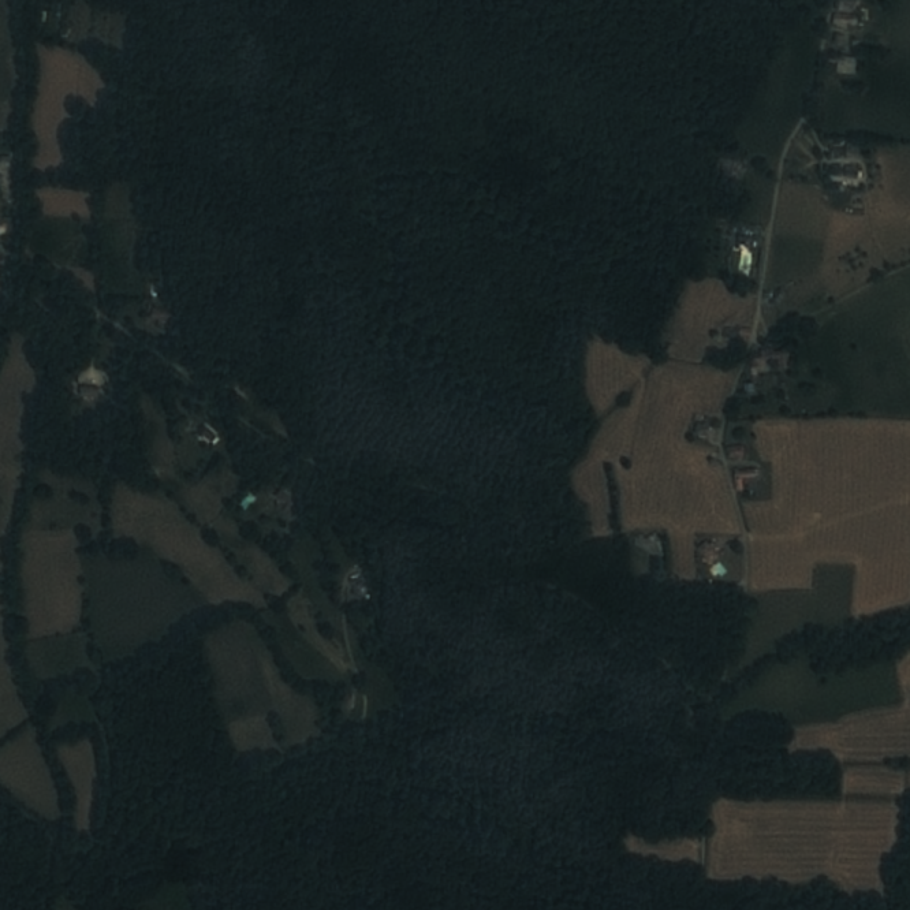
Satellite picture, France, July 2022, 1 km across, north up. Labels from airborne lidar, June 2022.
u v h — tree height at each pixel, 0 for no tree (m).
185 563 0
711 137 16
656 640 24
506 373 28
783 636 0
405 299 32
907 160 0
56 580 0
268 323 26
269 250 23
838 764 17
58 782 18
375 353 27
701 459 0
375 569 18
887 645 17
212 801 25
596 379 0
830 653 24
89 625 16
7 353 23
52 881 28
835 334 0
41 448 24
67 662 0
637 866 24
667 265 30
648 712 21
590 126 24
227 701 0
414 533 26
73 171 22
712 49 22
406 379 27
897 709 0
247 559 0
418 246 23
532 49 24
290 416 27
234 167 26
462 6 21
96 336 26
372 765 30
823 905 19
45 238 0
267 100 19
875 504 0
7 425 0
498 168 24
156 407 0
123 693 23
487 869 22
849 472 0
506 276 25
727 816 0
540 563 10
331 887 27
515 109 29
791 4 24
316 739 11
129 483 23
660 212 23
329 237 24
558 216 23
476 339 24
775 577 0
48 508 0
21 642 21
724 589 19
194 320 26
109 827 20
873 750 0
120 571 0
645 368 0
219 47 26
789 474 0
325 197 30
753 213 0
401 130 26
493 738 25
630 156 23
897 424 0
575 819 22
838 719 0
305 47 21
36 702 26
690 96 21
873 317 0
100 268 16
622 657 25
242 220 18
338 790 26
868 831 0
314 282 23
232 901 22
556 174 26
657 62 19
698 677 21
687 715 19
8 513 0
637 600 9
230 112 8
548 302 12
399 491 17
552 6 23
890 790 0
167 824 20
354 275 23
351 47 21
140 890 30
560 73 20
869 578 0
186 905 0
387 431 22
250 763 26
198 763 28
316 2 18
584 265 26
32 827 26
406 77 23
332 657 0
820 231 0
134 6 28
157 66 18
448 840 25
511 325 22
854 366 0
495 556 19
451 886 24
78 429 26
